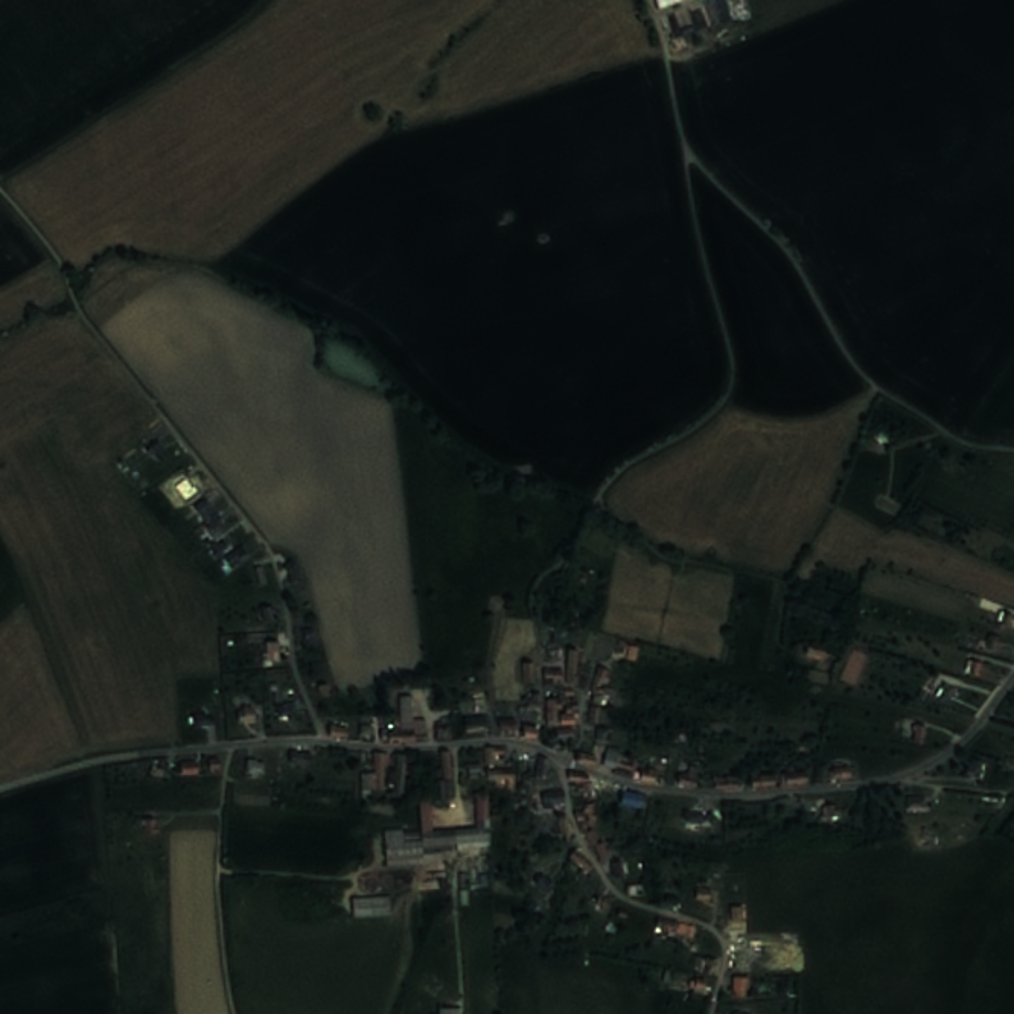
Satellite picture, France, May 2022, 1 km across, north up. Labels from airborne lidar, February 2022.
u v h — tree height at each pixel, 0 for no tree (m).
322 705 7
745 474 0
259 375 0
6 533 0
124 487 0
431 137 0
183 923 0
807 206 0
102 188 0
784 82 0
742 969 0
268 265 0
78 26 0
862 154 0
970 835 0
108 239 0
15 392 0
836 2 0
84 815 0
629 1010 0
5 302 0
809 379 0
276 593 0
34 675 0
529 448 0
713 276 0
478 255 0
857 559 0
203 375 0
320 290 0
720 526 0
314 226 0
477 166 0
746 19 0
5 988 0
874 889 0
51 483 0
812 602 9
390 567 0
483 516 0
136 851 0
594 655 0
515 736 0
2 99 0
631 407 0
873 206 0
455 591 0
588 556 0
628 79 0
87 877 0
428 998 0
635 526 9
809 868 0
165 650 0
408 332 0
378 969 0
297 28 0
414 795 13
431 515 0
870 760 0
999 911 0
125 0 0
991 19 0
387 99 0
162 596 0
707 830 0
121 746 0
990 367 0
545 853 11
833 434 0
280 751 0
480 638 0
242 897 0
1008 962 0
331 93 0
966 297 0
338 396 0
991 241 0
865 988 0
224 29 0
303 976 0
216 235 0
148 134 0
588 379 0
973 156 0
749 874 0
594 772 0
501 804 8
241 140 0
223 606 0
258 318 0
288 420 0
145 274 0
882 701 5
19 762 0
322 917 0
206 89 0
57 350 0
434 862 0
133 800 0
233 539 0
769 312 0
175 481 0
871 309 0
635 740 6
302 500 0
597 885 0
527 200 0
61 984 0
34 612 0
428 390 0
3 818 0
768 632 0
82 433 0
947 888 0
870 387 0
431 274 0
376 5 0
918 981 0
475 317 0
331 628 0
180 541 0
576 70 0
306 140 0
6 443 0
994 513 0
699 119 0
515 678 0
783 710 0
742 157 0
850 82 0
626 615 0
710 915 0
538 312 0
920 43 0
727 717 0
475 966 0
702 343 0
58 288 0
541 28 0
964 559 0
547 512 0
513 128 0
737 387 0
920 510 13
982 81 0
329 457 0
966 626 0
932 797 0
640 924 0
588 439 0
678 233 0
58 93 0
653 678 0
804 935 0
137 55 0
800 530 0
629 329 0
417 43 0
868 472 0
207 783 0
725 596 0
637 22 0
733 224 0
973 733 0
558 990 0
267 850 0
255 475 0
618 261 0
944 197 0
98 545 0
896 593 0
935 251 0
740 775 15
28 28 0
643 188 0
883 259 0
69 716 0
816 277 0
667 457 0
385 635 0
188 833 0
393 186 0
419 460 0
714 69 0
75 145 0
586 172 0
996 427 0
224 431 0
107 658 0
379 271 0
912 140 0
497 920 0
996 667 0
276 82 0
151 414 0
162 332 0
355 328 0
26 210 0
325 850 0
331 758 0
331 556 0
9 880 0
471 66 0
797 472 0
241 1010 0
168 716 0
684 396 0
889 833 11
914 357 0
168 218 0
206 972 0
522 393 0
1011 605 0
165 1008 0
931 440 0
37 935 0
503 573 0
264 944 0
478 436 0
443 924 0
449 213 0
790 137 0
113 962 0
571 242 0
